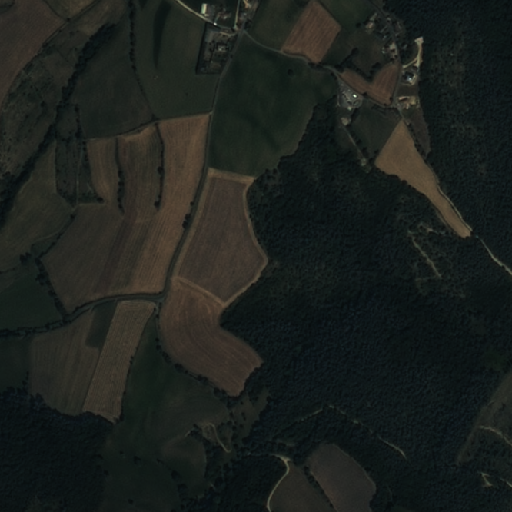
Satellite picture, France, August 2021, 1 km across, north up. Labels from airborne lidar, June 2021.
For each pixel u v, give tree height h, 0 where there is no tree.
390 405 10
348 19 0
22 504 9
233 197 0
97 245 0
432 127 9
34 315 0
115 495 0
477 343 21
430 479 14
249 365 0
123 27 0
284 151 0
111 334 0
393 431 13
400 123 0
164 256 0
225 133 0
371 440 15
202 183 0
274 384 20
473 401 16
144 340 0
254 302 12
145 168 0
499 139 9
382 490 15
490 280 11
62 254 0
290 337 11
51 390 0
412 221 8
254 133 0
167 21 0
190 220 10
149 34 0
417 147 8
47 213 0
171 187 0
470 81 10
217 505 19
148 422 0
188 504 12
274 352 14
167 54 0
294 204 14
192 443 0
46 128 0
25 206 0
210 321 0
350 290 14
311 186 12
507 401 0
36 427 26
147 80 0
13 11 0
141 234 0
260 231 12
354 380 15
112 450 0
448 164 11
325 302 10
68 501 19
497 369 0
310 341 16
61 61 0
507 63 23
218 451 14
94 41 17
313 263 11
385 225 8
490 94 18
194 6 0
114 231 0
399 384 13
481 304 13
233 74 0
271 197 12
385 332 18
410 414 8
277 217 12
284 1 0
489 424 0
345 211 13
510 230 8
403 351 14
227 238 0
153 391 0
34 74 0
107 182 0
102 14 0
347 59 7
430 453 11
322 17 0
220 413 0
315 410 6
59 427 22
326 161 18
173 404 0
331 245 11
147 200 0
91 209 0
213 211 0
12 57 0
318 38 0
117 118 0
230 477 16
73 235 0
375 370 13
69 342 0
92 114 0
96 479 26
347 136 0
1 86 0
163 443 0
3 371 0
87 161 9
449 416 15
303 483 0
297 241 14
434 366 15
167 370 0
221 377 0
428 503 17
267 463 8
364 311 16
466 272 8
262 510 9
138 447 0
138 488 0
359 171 12
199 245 0
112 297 0
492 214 10
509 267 6
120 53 0
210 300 0
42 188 0
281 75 0
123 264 0
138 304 0
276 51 0
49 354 0
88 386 0
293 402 12
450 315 15
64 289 0
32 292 0
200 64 9
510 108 17
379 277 15
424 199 8
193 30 0
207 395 0
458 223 0
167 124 0
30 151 0
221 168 0
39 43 0
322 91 0
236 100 0
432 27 12
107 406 0
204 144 0
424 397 18
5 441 23
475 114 9
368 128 0
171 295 0
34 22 0
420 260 10
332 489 0
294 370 16
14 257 0
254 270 0
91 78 0
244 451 12
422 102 11
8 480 18
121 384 0
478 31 11
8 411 20
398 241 6
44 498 23
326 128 6
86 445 21
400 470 13
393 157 0
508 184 14
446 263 10
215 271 0
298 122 0
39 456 24
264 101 0
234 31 11
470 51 11
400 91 0
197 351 0
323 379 12
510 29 27
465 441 14
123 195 0
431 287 6
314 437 9
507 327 12
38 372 0
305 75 0
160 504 0
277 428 9
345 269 16
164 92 0
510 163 12
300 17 0
